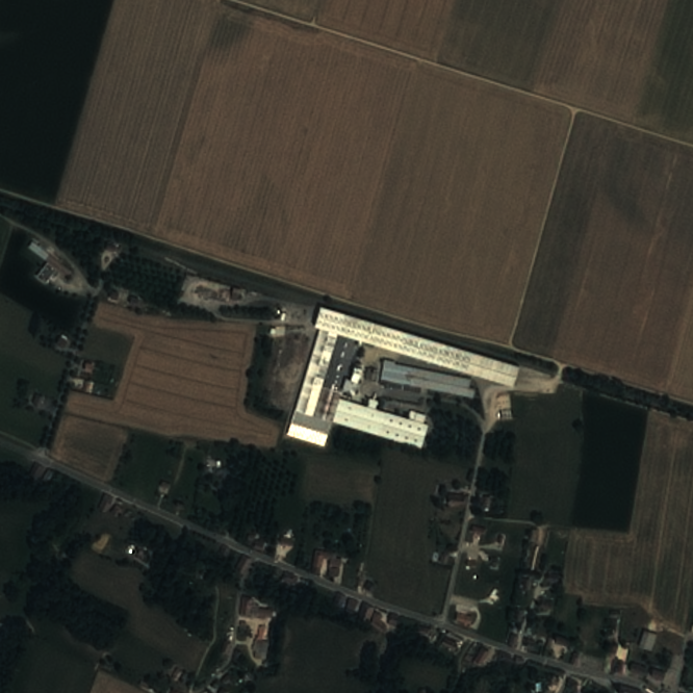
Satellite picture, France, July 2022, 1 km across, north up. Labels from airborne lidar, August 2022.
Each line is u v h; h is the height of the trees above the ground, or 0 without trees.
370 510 10
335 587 0
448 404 0
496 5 0
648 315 0
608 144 0
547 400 0
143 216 0
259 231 0
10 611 0
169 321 0
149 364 0
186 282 0
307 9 0
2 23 0
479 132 0
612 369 0
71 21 0
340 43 0
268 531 16
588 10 0
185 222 0
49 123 0
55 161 0
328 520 7
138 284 10
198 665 0
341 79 0
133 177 0
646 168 0
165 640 0
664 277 0
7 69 0
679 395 0
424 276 0
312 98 0
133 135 0
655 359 0
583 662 0
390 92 0
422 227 0
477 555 0
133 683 0
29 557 0
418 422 0
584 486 0
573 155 0
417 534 0
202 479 6
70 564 14
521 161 0
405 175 0
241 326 0
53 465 0
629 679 0
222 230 0
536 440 0
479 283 0
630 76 0
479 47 0
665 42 0
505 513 6
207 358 0
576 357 0
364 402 10
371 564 0
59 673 0
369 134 0
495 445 14
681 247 0
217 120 0
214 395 0
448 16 0
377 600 0
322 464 0
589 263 0
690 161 0
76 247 14
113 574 0
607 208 0
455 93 0
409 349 0
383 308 0
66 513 25
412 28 0
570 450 0
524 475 0
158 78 0
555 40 0
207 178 0
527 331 0
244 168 0
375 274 0
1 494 16
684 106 0
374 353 0
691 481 0
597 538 0
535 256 0
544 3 0
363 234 0
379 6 0
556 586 10
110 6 0
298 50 0
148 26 0
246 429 0
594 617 0
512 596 6
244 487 18
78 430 0
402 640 14
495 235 0
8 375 0
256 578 7
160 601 14
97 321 0
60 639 0
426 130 0
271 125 0
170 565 13
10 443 0
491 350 0
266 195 0
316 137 0
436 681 0
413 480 0
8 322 0
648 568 0
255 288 0
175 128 0
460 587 0
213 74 0
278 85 0
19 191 0
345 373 0
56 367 0
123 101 0
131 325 0
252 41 0
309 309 0
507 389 0
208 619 21
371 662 24
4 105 0
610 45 0
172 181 0
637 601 0
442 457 15
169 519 0
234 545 0
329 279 0
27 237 0
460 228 0
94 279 13
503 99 0
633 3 0
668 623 0
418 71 0
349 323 0
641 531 0
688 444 0
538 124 0
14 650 22
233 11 0
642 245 0
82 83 0
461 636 0
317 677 0
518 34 0
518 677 10
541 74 0
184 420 0
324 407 0
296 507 0
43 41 0
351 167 0
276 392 0
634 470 0
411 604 0
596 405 0
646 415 0
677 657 0
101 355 0
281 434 0
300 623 0
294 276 0
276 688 0
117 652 0
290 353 0
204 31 0
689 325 0
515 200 0
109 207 0
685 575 0
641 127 0
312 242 0
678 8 0
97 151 0
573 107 0
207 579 12
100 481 0
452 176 0
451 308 0
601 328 0
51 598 21
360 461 0
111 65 0
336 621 7
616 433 0
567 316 0
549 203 0
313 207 0
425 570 0
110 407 0
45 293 0
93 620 24
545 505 0
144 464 0
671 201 0
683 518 0
